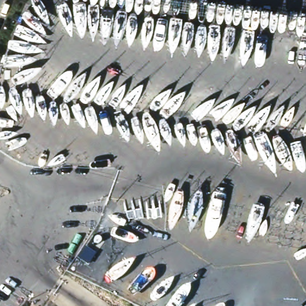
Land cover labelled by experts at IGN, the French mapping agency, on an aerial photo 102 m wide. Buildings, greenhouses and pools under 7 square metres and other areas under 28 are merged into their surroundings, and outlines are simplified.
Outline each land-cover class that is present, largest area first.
<instances>
[{"label":"impervious surface","instance_id":"1","mask_svg":"<svg viewBox=\"0 0 306 306\"><path fill-rule=\"evenodd\" d=\"M86 245L94 250L90 262L79 256ZM0 306H306V0H27L22 16L17 19V27L11 35V41H8L5 55L0 61Z\"/></svg>","mask_w":306,"mask_h":306},{"label":"brushwood","instance_id":"2","mask_svg":"<svg viewBox=\"0 0 306 306\"><path fill-rule=\"evenodd\" d=\"M27 0H0V61L5 55L8 41H11V35L17 27V19L22 16Z\"/></svg>","mask_w":306,"mask_h":306},{"label":"building","instance_id":"3","mask_svg":"<svg viewBox=\"0 0 306 306\"><path fill-rule=\"evenodd\" d=\"M94 250L86 245L79 256L90 262Z\"/></svg>","mask_w":306,"mask_h":306}]
</instances>
